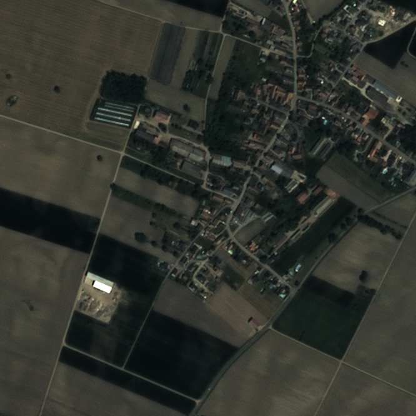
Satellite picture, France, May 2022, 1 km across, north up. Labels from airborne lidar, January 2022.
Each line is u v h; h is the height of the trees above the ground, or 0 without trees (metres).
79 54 0
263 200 0
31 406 0
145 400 0
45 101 0
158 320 0
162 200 0
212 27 0
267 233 0
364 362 0
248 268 0
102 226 0
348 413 0
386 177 0
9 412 0
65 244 0
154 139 0
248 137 0
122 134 0
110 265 0
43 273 0
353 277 0
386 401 0
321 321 0
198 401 0
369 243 0
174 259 0
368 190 0
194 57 0
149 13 0
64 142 0
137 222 0
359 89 0
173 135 0
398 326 0
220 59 0
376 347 0
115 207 0
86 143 0
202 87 0
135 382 0
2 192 0
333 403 0
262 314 0
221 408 0
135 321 0
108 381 0
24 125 0
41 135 0
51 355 0
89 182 0
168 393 0
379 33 0
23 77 0
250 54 0
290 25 0
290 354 0
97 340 0
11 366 0
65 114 0
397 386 0
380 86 0
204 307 0
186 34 0
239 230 0
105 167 0
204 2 0
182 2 0
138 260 0
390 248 0
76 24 0
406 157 0
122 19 0
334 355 0
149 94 0
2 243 0
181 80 0
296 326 0
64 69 0
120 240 0
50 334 0
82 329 0
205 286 0
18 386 0
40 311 0
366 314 0
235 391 0
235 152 0
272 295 0
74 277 0
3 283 0
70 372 0
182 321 0
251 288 0
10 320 0
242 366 0
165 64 0
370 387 0
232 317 0
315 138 0
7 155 0
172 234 0
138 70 0
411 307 0
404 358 0
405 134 18
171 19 0
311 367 0
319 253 0
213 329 0
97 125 0
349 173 0
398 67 0
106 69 0
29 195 0
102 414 0
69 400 0
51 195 0
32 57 0
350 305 0
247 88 8
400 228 0
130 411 0
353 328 0
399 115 0
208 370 0
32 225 0
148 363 0
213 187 7
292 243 0
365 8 0
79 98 0
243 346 0
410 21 0
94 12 0
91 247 0
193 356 0
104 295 0
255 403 0
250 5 0
